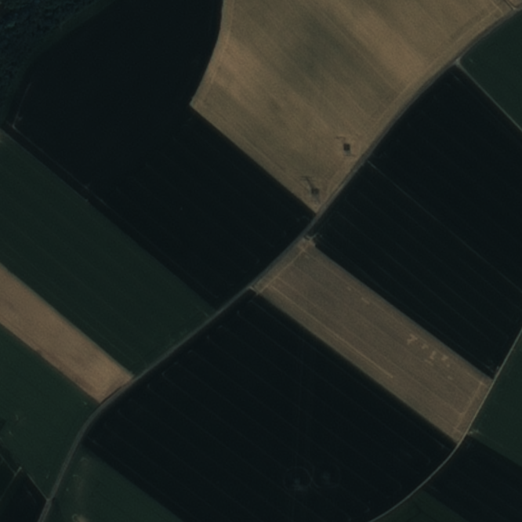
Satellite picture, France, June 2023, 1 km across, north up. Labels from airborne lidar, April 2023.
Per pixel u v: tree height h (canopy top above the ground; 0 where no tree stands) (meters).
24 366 0
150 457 0
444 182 0
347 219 0
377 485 0
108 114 0
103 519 0
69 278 0
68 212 0
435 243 0
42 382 0
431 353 0
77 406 0
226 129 0
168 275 0
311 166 0
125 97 0
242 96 0
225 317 0
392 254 0
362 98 0
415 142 0
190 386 0
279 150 0
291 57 0
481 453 0
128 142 0
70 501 0
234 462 0
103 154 0
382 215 0
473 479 0
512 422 0
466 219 0
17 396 0
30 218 0
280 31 0
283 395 0
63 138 0
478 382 0
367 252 0
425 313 0
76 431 0
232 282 0
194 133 0
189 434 0
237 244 0
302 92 0
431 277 0
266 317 0
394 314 0
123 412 0
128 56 0
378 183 0
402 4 0
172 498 0
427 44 0
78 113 0
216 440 0
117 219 0
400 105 0
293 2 0
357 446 0
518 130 0
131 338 0
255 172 0
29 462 0
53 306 0
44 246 0
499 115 0
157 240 0
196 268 0
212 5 0
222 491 0
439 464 0
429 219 0
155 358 0
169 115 0
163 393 0
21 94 0
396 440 0
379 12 0
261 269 0
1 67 17
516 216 0
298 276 0
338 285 0
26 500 0
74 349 0
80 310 0
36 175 0
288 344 0
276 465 0
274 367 0
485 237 0
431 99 0
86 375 0
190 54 0
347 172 0
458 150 0
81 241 0
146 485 0
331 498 0
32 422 0
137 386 0
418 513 0
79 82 0
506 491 0
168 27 0
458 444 0
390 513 0
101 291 0
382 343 0
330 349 0
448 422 0
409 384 0
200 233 0
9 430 0
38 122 0
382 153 0
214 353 0
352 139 0
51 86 0
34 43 17
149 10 0
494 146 0
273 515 0
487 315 0
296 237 0
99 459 0
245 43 0
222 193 0
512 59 0
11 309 0
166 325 0
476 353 0
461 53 0
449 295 0
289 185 0
